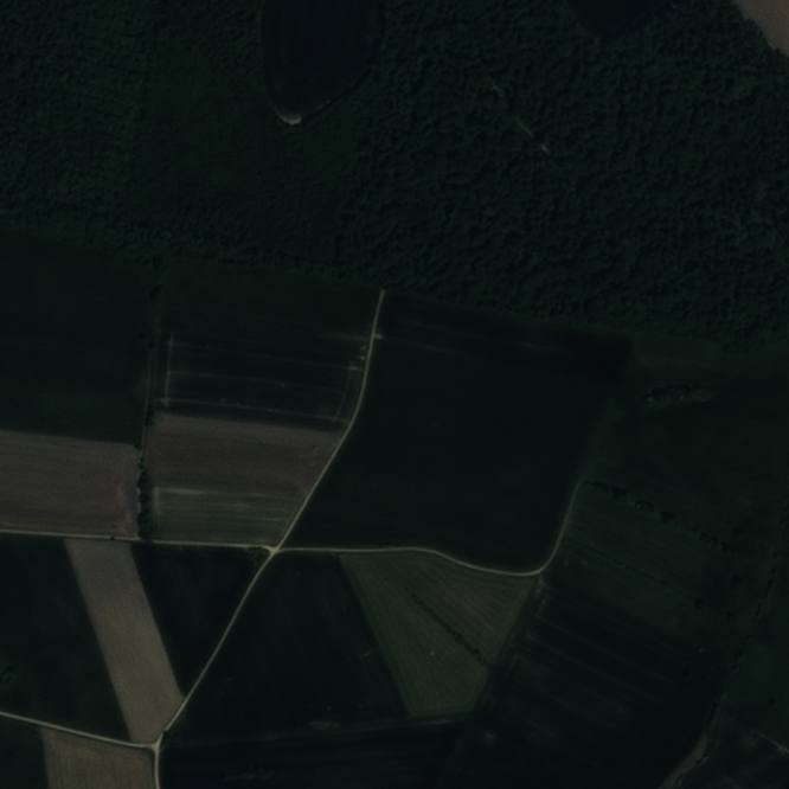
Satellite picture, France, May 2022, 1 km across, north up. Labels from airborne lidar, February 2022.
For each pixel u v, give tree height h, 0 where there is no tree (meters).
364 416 0
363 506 0
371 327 0
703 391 8
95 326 0
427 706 0
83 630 0
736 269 17
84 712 0
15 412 0
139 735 0
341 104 10
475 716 0
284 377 0
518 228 22
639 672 0
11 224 9
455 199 24
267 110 12
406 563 0
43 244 0
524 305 12
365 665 0
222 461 0
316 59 0
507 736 0
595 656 0
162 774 0
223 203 10
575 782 0
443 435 0
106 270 0
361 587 0
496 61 26
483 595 0
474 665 0
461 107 23
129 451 0
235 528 0
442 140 28
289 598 0
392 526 0
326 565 0
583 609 0
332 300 0
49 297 0
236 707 0
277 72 0
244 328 0
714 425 0
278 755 0
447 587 0
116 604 0
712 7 22
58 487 0
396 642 0
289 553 0
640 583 0
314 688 0
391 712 0
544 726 0
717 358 0
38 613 0
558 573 0
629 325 15
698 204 10
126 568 0
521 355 0
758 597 0
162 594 0
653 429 0
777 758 0
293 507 0
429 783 0
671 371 0
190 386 0
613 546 0
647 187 22
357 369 0
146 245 20
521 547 0
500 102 28
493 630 0
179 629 0
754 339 18
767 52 20
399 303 0
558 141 24
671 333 12
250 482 0
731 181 24
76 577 0
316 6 0
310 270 16
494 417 0
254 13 11
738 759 0
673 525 15
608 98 22
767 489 0
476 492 0
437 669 0
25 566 0
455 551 0
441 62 13
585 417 0
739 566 0
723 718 0
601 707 0
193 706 0
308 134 11
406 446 0
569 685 0
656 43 16
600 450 0
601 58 21
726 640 0
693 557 0
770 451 0
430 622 0
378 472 0
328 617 0
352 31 0
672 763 0
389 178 26
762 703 0
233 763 0
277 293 0
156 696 0
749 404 0
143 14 8
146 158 10
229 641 0
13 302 0
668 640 0
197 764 0
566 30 21
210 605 0
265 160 10
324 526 0
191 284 0
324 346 0
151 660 0
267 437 0
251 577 0
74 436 0
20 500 0
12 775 0
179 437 0
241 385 0
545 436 0
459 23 26
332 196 11
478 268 22
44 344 0
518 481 0
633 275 24
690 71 24
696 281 22
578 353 0
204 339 0
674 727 0
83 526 0
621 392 0
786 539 0
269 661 0
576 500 0
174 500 0
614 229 25
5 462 0
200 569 0
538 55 16
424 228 24
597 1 0
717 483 0
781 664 0
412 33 22
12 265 0
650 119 26
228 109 11
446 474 0
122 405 0
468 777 0
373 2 0
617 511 0
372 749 0
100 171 7
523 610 0
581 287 25
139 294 0
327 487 0
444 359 0
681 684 0
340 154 9
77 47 7
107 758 0
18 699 0
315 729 0
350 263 21
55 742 0
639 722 0
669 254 23
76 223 21
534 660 0
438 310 0
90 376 0
